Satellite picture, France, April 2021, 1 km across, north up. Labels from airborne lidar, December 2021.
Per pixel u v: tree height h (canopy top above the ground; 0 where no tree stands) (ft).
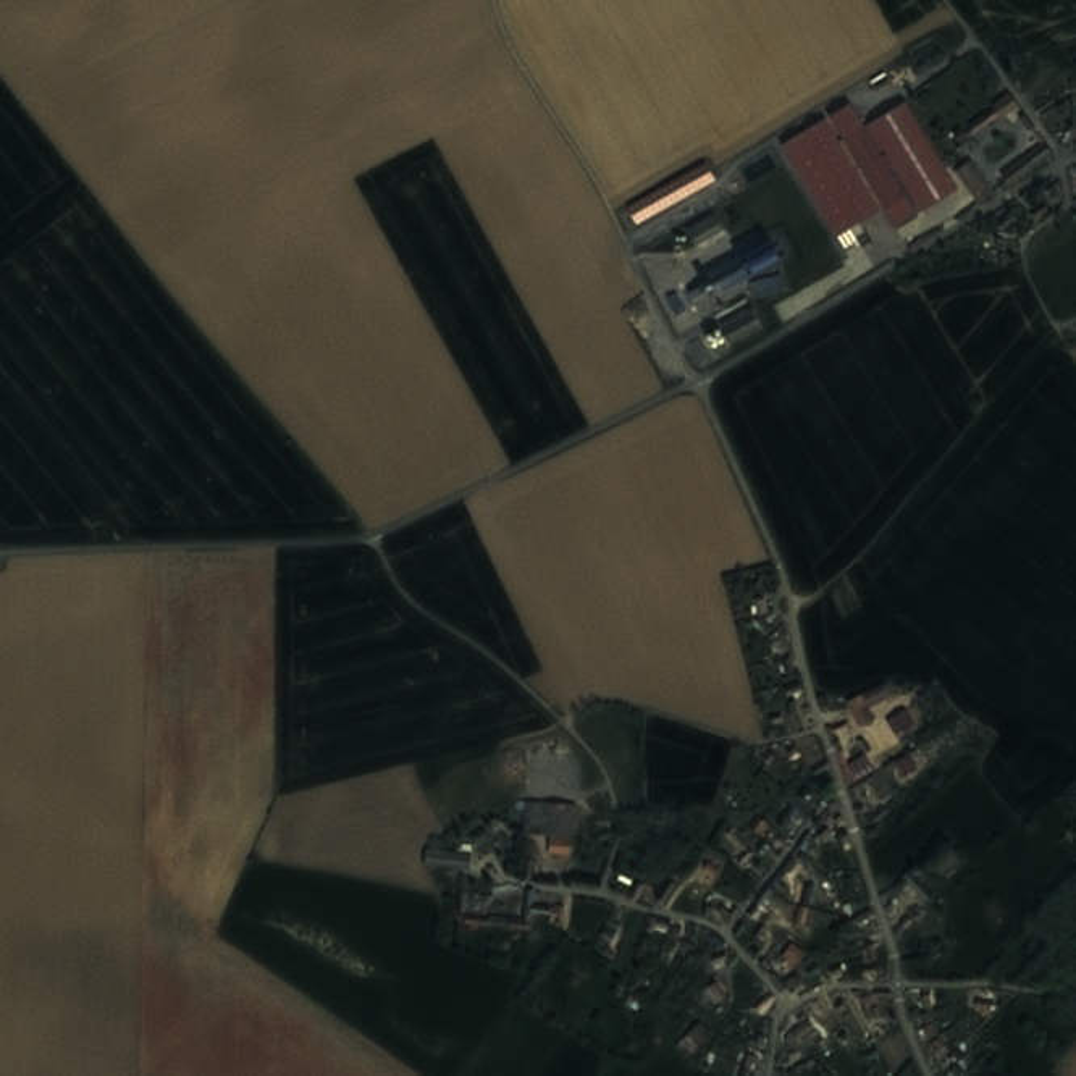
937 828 0
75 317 0
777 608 0
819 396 0
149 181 0
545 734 0
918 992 0
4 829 0
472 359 0
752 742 0
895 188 0
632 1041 30
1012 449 0
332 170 0
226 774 0
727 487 0
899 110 0
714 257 0
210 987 0
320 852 0
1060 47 0
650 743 0
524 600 0
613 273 0
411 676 0
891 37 0
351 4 0
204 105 0
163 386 0
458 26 0
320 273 0
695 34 0
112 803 0
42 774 0
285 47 0
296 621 0
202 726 0
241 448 0
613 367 0
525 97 0
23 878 0
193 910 0
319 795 0
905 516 0
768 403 0
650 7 0
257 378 0
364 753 0
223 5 0
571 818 0
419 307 0
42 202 0
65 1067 0
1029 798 0
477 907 0
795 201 0
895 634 0
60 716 0
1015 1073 24
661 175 0
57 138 0
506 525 0
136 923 0
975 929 0
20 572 0
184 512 0
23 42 0
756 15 0
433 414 0
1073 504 0
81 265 0
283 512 0
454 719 0
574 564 0
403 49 0
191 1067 0
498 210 0
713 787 0
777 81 0
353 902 0
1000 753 0
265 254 0
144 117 0
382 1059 0
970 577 0
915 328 0
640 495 0
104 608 0
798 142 0
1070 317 0
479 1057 0
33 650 0
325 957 0
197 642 0
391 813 0
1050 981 65
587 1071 0
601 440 0
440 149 0
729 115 0
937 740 44
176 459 0
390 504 0
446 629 0
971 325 0
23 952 0
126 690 0
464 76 0
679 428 0
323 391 0
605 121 0
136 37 0
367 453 0
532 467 0
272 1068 0
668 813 56
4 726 0
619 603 0
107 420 0
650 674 0
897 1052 0
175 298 0
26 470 0
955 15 0
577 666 0
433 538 0
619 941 0
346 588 0
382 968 0
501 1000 0
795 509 0
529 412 0
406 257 0
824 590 0
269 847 0
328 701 0
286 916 0
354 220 0
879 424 0
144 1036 0
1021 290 0
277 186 0
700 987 0
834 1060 0
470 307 0
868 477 0
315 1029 0
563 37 0
